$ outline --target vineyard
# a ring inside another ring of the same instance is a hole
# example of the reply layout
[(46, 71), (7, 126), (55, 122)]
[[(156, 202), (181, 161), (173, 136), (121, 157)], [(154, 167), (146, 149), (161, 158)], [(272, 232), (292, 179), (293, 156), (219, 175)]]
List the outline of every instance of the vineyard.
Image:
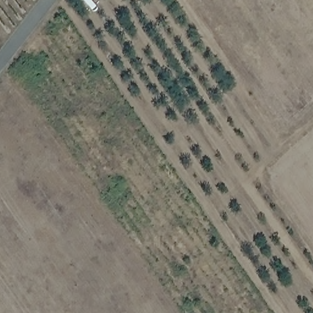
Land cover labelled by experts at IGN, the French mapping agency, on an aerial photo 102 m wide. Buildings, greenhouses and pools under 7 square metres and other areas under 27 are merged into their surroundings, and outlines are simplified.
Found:
[(18, 27), (21, 27), (22, 22), (27, 20), (42, 0), (0, 0), (0, 27), (5, 33), (15, 34)]
[(148, 264), (149, 273), (154, 274), (168, 295), (172, 293), (172, 296), (176, 297), (174, 304), (181, 313), (275, 313), (230, 247), (221, 238), (212, 219), (205, 214), (202, 204), (183, 182), (175, 166), (169, 163), (168, 156), (156, 144), (133, 106), (120, 92), (103, 62), (93, 53), (76, 24), (62, 9), (59, 0), (56, 0), (11, 59), (13, 61), (7, 70), (12, 81), (22, 84), (28, 93), (27, 98), (38, 106), (40, 114), (48, 120), (48, 125), (59, 133), (62, 143), (76, 160), (82, 175), (92, 182), (95, 190), (99, 192), (100, 201), (108, 205), (116, 223), (126, 231), (126, 234), (131, 234), (136, 245), (142, 248), (141, 257)]

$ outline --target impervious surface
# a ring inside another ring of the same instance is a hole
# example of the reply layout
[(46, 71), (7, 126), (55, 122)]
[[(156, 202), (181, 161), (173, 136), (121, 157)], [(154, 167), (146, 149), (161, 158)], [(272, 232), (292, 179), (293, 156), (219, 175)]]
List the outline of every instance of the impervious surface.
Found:
[(0, 70), (11, 59), (56, 0), (42, 0), (27, 20), (22, 22), (21, 27), (18, 27), (15, 34), (5, 33), (0, 27)]

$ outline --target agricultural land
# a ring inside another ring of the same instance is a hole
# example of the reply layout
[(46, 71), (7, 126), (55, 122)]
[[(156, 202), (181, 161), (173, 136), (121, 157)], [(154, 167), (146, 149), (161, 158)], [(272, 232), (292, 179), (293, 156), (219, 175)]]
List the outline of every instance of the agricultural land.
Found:
[(226, 106), (237, 128), (232, 130), (229, 126), (219, 136), (212, 126), (205, 133), (221, 155), (213, 170), (221, 182), (225, 183), (232, 197), (243, 190), (242, 185), (246, 182), (251, 185), (260, 182), (263, 188), (271, 185), (273, 202), (282, 210), (285, 219), (290, 221), (293, 231), (300, 236), (304, 247), (313, 258), (313, 0), (187, 0), (197, 16), (213, 33), (215, 42), (240, 75), (241, 82), (235, 84), (234, 88), (226, 92), (220, 101)]
[(136, 245), (131, 234), (126, 234), (126, 231), (116, 223), (108, 205), (100, 201), (99, 192), (95, 190), (92, 182), (82, 175), (76, 160), (62, 143), (59, 133), (48, 125), (48, 120), (40, 114), (38, 106), (27, 98), (28, 93), (22, 84), (12, 81), (7, 70), (13, 61), (11, 59), (0, 70), (0, 313), (181, 313), (174, 304), (176, 297), (172, 296), (172, 293), (168, 295), (154, 274), (149, 273), (148, 264), (141, 257), (142, 248)]

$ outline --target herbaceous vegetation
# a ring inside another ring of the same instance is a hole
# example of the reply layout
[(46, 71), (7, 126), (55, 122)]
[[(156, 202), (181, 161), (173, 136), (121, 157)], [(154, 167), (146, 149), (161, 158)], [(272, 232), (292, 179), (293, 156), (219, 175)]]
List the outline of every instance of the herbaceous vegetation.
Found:
[[(183, 105), (186, 109), (192, 109), (198, 117), (197, 122), (191, 123), (185, 120), (168, 90), (161, 86), (158, 77), (150, 68), (150, 62), (145, 55), (150, 51), (160, 66), (164, 67), (168, 62), (158, 46), (144, 32), (130, 4), (131, 0), (83, 0), (89, 7), (90, 18), (84, 23), (66, 0), (59, 0), (62, 9), (76, 24), (93, 53), (103, 62), (120, 92), (133, 106), (156, 144), (168, 156), (169, 163), (175, 166), (183, 182), (202, 204), (205, 214), (212, 219), (221, 238), (230, 247), (275, 313), (313, 313), (313, 258), (304, 247), (300, 236), (293, 231), (290, 221), (285, 219), (282, 210), (273, 202), (271, 185), (263, 188), (260, 182), (251, 185), (246, 182), (242, 185), (243, 190), (232, 197), (225, 183), (221, 182), (213, 170), (221, 155), (205, 133), (212, 126), (219, 136), (229, 126), (232, 130), (237, 128), (226, 106), (220, 101), (226, 92), (212, 76), (208, 61), (198, 53), (188, 39), (188, 24), (196, 26), (203, 44), (210, 49), (210, 53), (218, 55), (225, 70), (231, 72), (234, 77), (235, 84), (241, 82), (240, 75), (215, 42), (213, 33), (197, 16), (187, 0), (176, 0), (187, 18), (180, 26), (160, 0), (136, 0), (145, 18), (153, 23), (160, 37), (165, 40), (166, 46), (179, 61), (182, 71), (188, 73), (203, 98), (198, 101), (192, 99), (190, 103)], [(125, 55), (132, 49), (141, 59), (143, 70), (150, 82), (158, 88), (154, 94), (145, 86), (136, 68)], [(128, 92), (127, 84), (122, 81), (121, 73), (112, 65), (119, 59), (126, 70), (131, 71), (133, 81), (141, 90), (141, 93), (134, 97)], [(291, 285), (281, 284), (278, 274), (270, 265), (273, 257), (278, 257), (282, 265), (289, 269)]]

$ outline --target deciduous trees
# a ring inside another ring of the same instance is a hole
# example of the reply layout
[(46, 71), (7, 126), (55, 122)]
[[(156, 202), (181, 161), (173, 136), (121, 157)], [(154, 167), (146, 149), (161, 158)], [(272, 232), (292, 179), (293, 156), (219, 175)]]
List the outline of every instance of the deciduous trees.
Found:
[(273, 257), (270, 265), (278, 274), (281, 284), (291, 285), (289, 269), (282, 265), (278, 257)]
[(180, 26), (187, 18), (176, 0), (160, 0)]
[(150, 68), (158, 77), (161, 86), (168, 90), (185, 120), (191, 123), (197, 122), (198, 117), (192, 109), (186, 109), (183, 105), (190, 103), (192, 99), (198, 101), (203, 98), (188, 73), (182, 71), (179, 61), (166, 46), (165, 40), (160, 37), (153, 23), (145, 18), (136, 0), (131, 0), (130, 4), (144, 32), (158, 46), (168, 62), (164, 67), (160, 66), (150, 51), (145, 55), (150, 62)]
[(133, 81), (131, 71), (126, 70), (119, 59), (112, 65), (121, 73), (122, 81), (127, 84), (128, 92), (134, 97), (141, 93), (141, 90)]
[(125, 55), (136, 68), (145, 86), (154, 94), (158, 88), (150, 82), (143, 70), (141, 59), (132, 49)]
[(212, 76), (226, 92), (234, 88), (235, 84), (234, 77), (231, 72), (225, 70), (218, 55), (210, 53), (210, 49), (203, 44), (196, 26), (188, 24), (188, 39), (198, 53), (208, 61)]
[(84, 23), (90, 18), (89, 7), (83, 0), (66, 0)]

